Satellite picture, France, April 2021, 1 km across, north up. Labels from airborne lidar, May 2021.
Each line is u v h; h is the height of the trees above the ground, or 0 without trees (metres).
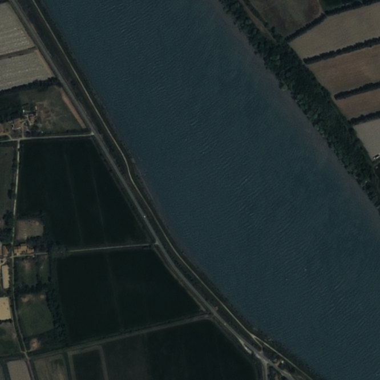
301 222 0
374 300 0
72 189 0
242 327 0
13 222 29
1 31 0
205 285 0
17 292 8
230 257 0
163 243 6
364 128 0
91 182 0
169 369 0
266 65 6
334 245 0
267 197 0
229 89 0
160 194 0
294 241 0
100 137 0
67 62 0
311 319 0
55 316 9
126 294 0
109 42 0
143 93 0
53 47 0
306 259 0
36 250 11
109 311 0
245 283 0
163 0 0
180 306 0
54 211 0
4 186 0
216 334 0
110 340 0
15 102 0
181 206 0
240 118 0
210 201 0
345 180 0
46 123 0
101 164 0
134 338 0
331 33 0
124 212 0
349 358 0
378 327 0
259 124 0
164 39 0
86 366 0
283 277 0
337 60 0
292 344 0
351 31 0
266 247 0
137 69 0
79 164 0
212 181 0
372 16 0
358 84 0
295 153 0
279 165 0
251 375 0
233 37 0
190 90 0
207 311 6
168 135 0
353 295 0
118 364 0
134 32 0
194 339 0
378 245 0
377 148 0
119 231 0
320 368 0
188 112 0
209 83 0
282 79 20
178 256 0
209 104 0
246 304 0
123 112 0
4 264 0
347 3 0
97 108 0
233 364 0
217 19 0
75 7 0
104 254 0
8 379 0
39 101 0
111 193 0
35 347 0
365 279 0
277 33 15
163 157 0
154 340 0
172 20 0
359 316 0
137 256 0
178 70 0
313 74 16
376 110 0
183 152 0
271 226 0
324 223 0
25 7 0
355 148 17
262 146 0
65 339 7
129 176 0
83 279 0
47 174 0
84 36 0
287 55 17
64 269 0
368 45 18
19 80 0
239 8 14
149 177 0
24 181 0
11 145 7
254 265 0
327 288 0
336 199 0
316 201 0
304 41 0
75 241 0
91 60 0
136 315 0
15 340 0
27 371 0
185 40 0
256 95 0
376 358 0
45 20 0
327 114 22
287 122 0
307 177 0
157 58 0
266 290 0
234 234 0
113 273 0
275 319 0
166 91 0
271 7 0
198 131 0
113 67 0
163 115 0
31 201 0
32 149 0
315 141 0
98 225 0
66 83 0
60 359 0
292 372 8
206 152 0
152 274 0
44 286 10
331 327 0
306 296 0
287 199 0
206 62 0
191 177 0
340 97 16
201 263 0
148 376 0
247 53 0
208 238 0
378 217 0
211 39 0
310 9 0
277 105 0
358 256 0
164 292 0
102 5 0
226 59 0
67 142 0
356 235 0
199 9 0
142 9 0
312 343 0
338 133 21
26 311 0
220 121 0
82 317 0
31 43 0
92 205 0
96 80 0
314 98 19
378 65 0
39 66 0
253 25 12
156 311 0
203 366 0
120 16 0
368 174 13
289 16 0
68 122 0
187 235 0
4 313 0
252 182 0
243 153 0
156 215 0
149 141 0
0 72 0
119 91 0
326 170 0
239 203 0
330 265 0
